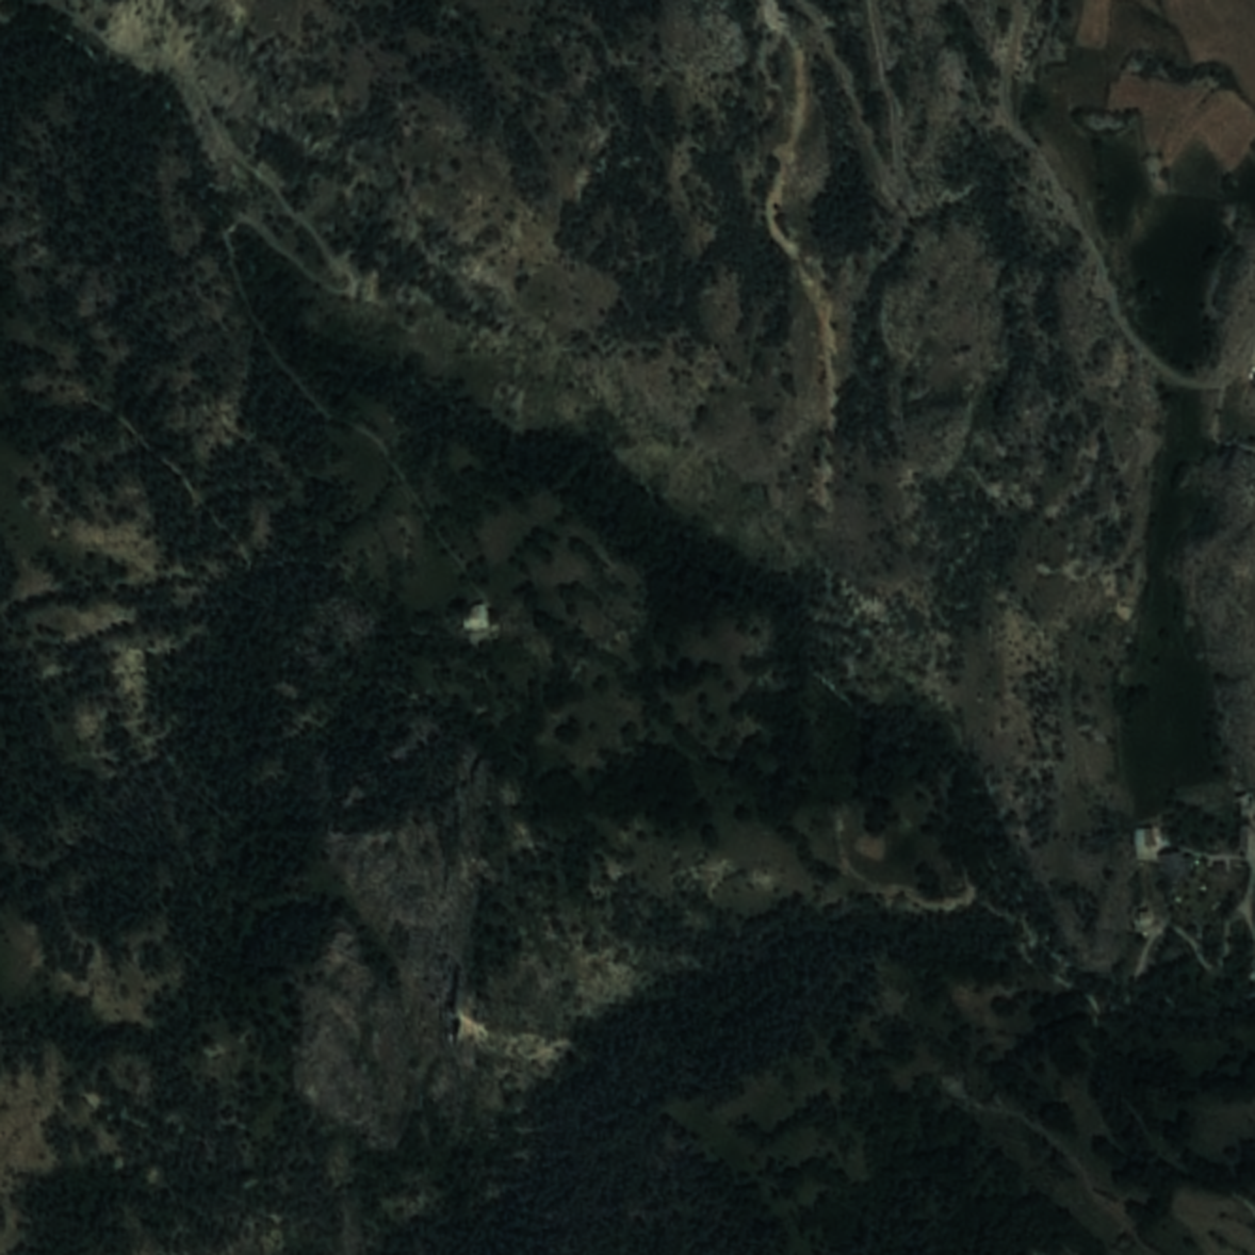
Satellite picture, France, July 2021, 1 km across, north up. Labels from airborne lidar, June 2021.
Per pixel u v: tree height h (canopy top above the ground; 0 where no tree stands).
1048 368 6
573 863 14
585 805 9
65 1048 12
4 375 9
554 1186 11
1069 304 0
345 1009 0
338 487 9
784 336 6
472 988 13
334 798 12
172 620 17
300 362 21
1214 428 0
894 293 0
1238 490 0
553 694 12
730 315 0
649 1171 15
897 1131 11
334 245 9
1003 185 8
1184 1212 0
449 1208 13
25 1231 6
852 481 6
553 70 7
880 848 0
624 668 9
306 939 17
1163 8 0
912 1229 13
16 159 13
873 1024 7
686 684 12
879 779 13
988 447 0
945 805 17
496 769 12
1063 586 0
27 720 18
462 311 7
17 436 9
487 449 10
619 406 19
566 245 5
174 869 21
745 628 8
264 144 6
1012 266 8
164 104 12
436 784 7
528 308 0
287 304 10
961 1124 17
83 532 0
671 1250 22
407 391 15
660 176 6
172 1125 8
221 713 11
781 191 0
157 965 16
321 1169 9
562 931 8
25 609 15
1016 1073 14
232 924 7
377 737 18
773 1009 22
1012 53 0
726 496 0
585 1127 17
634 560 13
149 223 19
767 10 0
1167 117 0
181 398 7
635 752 7
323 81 7
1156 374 0
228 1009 9
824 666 7
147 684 6
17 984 0
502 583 0
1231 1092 15
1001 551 7
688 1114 0
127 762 18
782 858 0
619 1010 10
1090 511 6
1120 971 16
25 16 14
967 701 0
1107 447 8
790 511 0
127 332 9
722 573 14
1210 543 0
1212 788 0
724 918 10
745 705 9
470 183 0
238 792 26
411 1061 7
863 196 9
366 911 0
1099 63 0
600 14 8
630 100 9
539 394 0
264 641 12
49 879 15
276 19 0
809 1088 0
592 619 0
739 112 10
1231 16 0
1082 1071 15
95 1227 17
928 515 6
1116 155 0
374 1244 7
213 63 6
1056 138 0
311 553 15
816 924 14
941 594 7
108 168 15
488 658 8
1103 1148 15
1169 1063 12
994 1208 14
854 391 9
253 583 21
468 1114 7
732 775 13
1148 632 0
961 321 0
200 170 10
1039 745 6
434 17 8
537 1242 15
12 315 10
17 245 8
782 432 0
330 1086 0
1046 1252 11
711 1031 22
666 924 10
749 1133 12
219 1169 11
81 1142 10
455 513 10
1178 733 0
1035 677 7
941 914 9
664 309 8
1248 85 0
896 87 6
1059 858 0
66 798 14
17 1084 6
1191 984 20
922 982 9
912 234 8
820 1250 10
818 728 6
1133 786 0
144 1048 9
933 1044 6
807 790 18
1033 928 6
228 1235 8
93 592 9
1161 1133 12
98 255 10
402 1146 12
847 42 8
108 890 19
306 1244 6
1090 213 0
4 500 0
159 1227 16
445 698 5
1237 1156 8
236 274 11
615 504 10
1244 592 0
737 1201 17
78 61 15
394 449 8
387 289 6
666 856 0
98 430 16
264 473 11
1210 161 0
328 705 10
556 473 16
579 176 0
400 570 6
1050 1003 13
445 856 10
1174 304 0
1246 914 0
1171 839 10
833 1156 8
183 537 15
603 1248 14
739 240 7
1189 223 0
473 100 8
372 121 6
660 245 9
